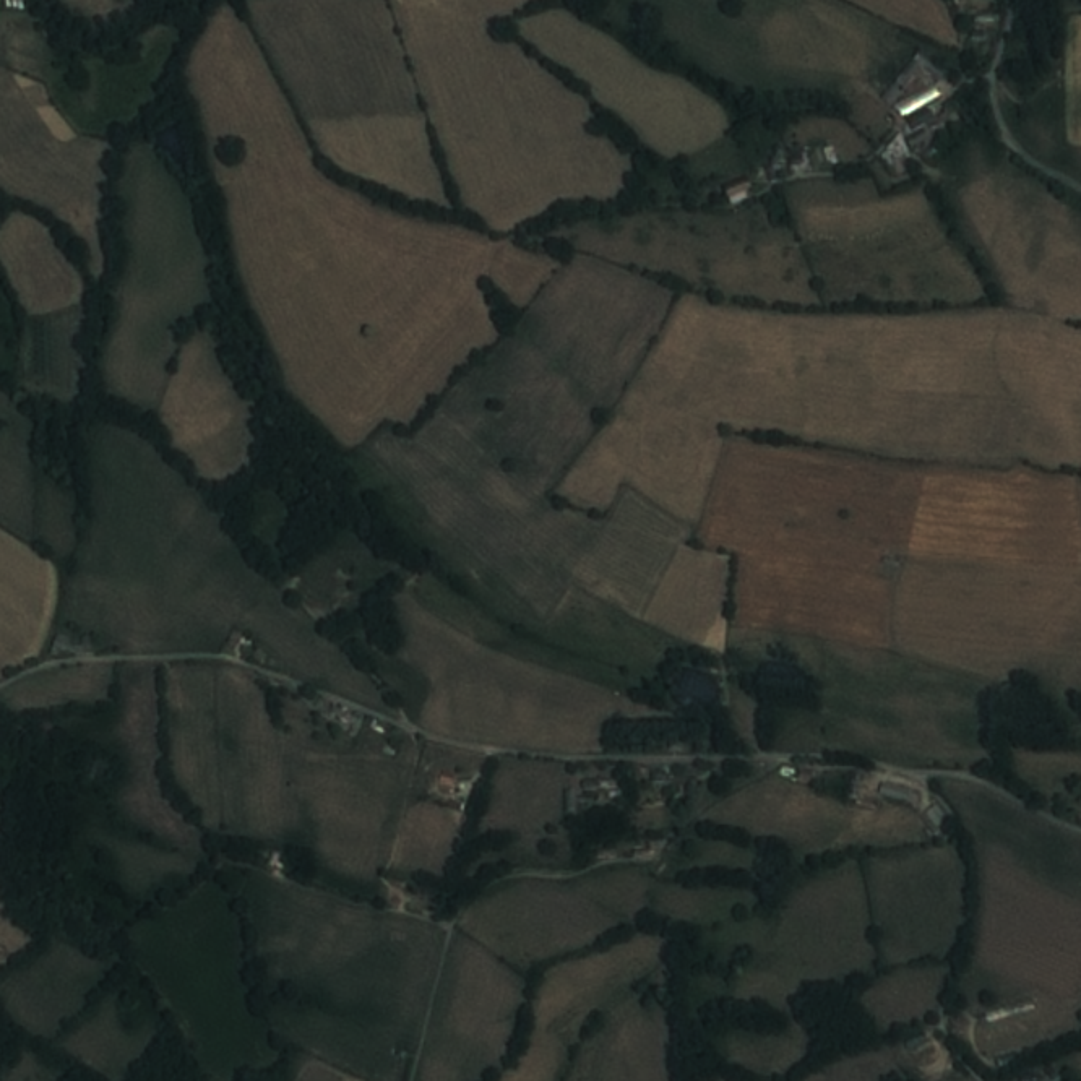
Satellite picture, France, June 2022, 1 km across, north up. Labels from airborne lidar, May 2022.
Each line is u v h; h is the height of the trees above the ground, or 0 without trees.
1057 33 32
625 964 0
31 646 0
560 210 16
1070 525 0
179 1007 0
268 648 0
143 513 0
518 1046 16
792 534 0
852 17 0
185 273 0
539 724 0
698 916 0
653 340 7
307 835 0
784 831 0
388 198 13
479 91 0
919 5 0
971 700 0
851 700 0
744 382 0
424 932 0
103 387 14
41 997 0
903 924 0
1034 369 0
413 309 0
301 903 0
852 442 0
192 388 0
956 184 0
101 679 0
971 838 11
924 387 0
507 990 0
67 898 19
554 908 0
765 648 0
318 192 0
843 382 0
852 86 0
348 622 22
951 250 0
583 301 0
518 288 0
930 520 0
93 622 0
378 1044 0
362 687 0
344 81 0
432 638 0
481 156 0
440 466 0
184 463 13
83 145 0
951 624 0
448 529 0
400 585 21
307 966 0
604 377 0
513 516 0
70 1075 14
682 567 0
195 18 19
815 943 0
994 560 0
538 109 0
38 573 0
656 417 0
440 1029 0
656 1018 0
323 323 0
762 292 0
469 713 0
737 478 0
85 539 9
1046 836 0
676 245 0
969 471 0
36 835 19
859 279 0
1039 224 0
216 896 0
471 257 0
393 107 0
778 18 0
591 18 22
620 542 0
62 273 0
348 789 0
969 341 0
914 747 0
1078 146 0
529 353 0
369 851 0
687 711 15
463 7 0
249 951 14
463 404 0
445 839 0
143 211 0
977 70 7
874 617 0
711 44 0
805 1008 19
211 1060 0
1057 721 32
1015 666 0
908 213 0
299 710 0
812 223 0
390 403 0
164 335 0
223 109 0
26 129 0
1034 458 0
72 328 0
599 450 0
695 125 0
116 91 0
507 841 14
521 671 0
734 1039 0
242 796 0
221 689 0
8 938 0
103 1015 0
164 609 0
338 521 24
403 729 0
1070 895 0
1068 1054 17
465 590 8
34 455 13
